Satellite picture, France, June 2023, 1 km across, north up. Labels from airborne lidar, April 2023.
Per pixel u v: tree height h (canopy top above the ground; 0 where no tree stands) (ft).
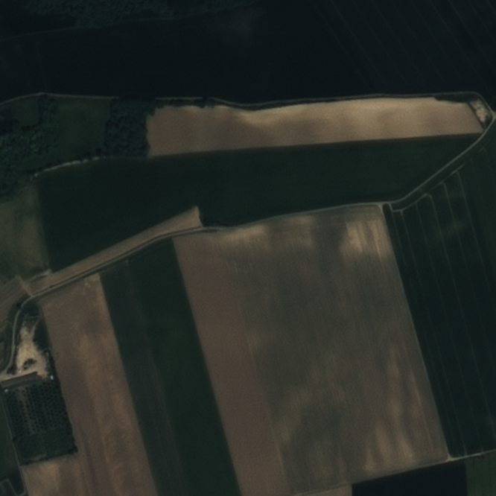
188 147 0
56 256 0
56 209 0
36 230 0
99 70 0
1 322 0
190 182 0
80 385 0
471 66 0
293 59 0
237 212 0
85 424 0
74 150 0
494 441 0
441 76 0
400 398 0
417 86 0
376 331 0
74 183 0
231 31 0
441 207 0
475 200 0
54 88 0
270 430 0
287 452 0
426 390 0
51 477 0
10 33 0
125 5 47
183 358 0
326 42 0
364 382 0
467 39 0
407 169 0
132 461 0
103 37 0
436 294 0
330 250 0
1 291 0
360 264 0
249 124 0
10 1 0
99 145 0
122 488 0
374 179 0
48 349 0
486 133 0
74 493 0
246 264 0
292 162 0
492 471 0
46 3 47
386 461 0
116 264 0
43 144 45
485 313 0
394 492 0
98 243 0
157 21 0
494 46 0
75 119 0
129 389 0
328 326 0
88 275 0
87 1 66
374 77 0
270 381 0
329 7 0
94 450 0
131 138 63
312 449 0
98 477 0
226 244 0
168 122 0
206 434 0
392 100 0
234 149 0
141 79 0
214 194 0
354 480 0
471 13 0
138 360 0
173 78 0
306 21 0
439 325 0
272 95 0
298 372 0
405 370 0
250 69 0
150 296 0
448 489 0
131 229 0
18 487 0
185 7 0
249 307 0
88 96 0
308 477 0
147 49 0
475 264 0
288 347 0
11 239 0
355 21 0
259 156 0
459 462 0
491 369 0
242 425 0
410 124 0
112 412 0
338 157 0
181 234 0
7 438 0
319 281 0
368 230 0
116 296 0
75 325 0
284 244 0
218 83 0
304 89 0
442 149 0
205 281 0
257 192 0
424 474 0
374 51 0
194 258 0
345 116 0
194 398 0
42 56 0
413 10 0
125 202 0
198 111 0
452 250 0
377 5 0
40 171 27
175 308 0
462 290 0
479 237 0
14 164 27
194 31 0
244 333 0
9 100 0
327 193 0
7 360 0
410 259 0
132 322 0
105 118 0
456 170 0
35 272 0
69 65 0
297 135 0
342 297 0
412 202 0
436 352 0
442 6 0
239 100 0
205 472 0
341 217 0
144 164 0
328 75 0
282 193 0
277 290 0
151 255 0
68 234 0
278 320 0
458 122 0
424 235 0
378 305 0
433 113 0
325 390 0
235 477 0
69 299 0
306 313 0
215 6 54
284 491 0
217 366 0
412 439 0
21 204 0
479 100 0
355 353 0
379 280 0
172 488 0
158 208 0
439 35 0
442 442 0
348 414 0
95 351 0
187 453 0
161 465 0
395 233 0
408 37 0
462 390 0
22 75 0
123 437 0
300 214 0
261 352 0
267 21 0
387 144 0
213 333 0
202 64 0
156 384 0
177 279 0
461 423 0
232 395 0
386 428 0
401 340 0
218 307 0
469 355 0
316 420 0
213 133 0
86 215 0
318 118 0
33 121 0
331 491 0
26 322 0
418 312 0
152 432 0
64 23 0
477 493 0
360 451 0
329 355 0
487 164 0
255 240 0
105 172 0
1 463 0
